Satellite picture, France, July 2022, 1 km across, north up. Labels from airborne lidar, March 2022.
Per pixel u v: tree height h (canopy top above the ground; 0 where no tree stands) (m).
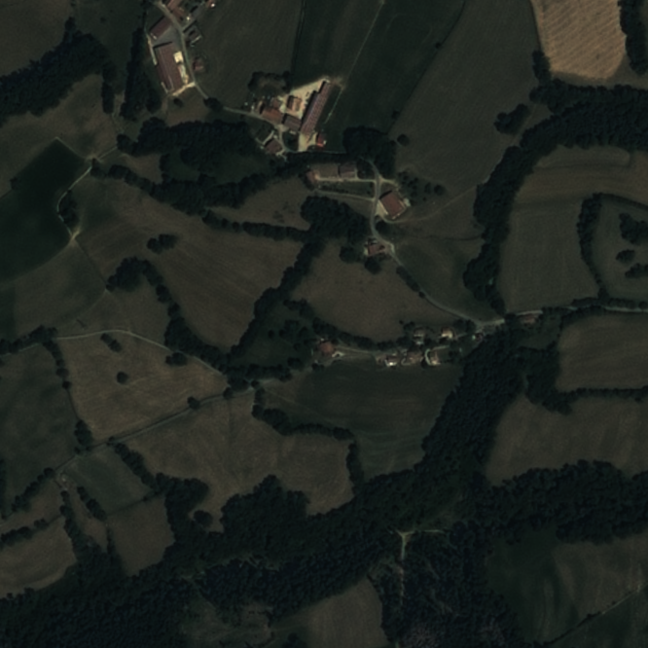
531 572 0
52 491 0
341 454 0
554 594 0
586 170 0
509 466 0
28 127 0
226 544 26
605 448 0
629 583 0
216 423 0
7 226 0
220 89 0
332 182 0
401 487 33
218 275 0
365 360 0
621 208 0
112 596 25
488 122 0
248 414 0
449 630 26
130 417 0
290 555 31
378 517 31
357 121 0
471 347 0
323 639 0
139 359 0
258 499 21
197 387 0
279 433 15
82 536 13
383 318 0
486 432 16
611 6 0
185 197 20
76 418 0
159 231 0
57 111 0
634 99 23
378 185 0
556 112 19
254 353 0
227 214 0
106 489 0
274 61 0
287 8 0
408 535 0
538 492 33
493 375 17
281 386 0
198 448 0
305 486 0
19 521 0
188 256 0
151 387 0
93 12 0
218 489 0
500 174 19
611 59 0
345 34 0
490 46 0
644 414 0
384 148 22
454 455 31
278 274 0
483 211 20
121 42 0
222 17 0
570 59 0
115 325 0
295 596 26
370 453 0
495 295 19
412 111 0
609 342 0
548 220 0
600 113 21
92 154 0
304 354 0
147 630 13
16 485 0
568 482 25
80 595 14
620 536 22
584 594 0
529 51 0
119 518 0
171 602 31
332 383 0
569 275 0
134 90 25
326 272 0
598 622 0
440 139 0
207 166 22
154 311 0
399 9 0
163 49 0
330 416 0
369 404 0
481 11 0
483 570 21
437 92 0
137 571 0
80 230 0
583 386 0
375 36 0
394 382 0
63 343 0
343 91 0
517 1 0
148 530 0
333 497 0
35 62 0
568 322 17
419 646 20
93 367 0
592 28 0
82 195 0
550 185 0
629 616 0
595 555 0
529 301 0
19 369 0
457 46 0
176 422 0
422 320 0
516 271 0
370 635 0
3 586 0
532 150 22
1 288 0
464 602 25
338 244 0
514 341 17
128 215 0
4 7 0
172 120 0
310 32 0
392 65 0
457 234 0
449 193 0
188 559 33
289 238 15
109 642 22
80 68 19
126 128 0
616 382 0
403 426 0
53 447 0
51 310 0
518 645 29
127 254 0
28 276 0
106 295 0
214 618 0
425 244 0
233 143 27
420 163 0
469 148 0
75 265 0
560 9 0
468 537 33
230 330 0
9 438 0
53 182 0
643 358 0
